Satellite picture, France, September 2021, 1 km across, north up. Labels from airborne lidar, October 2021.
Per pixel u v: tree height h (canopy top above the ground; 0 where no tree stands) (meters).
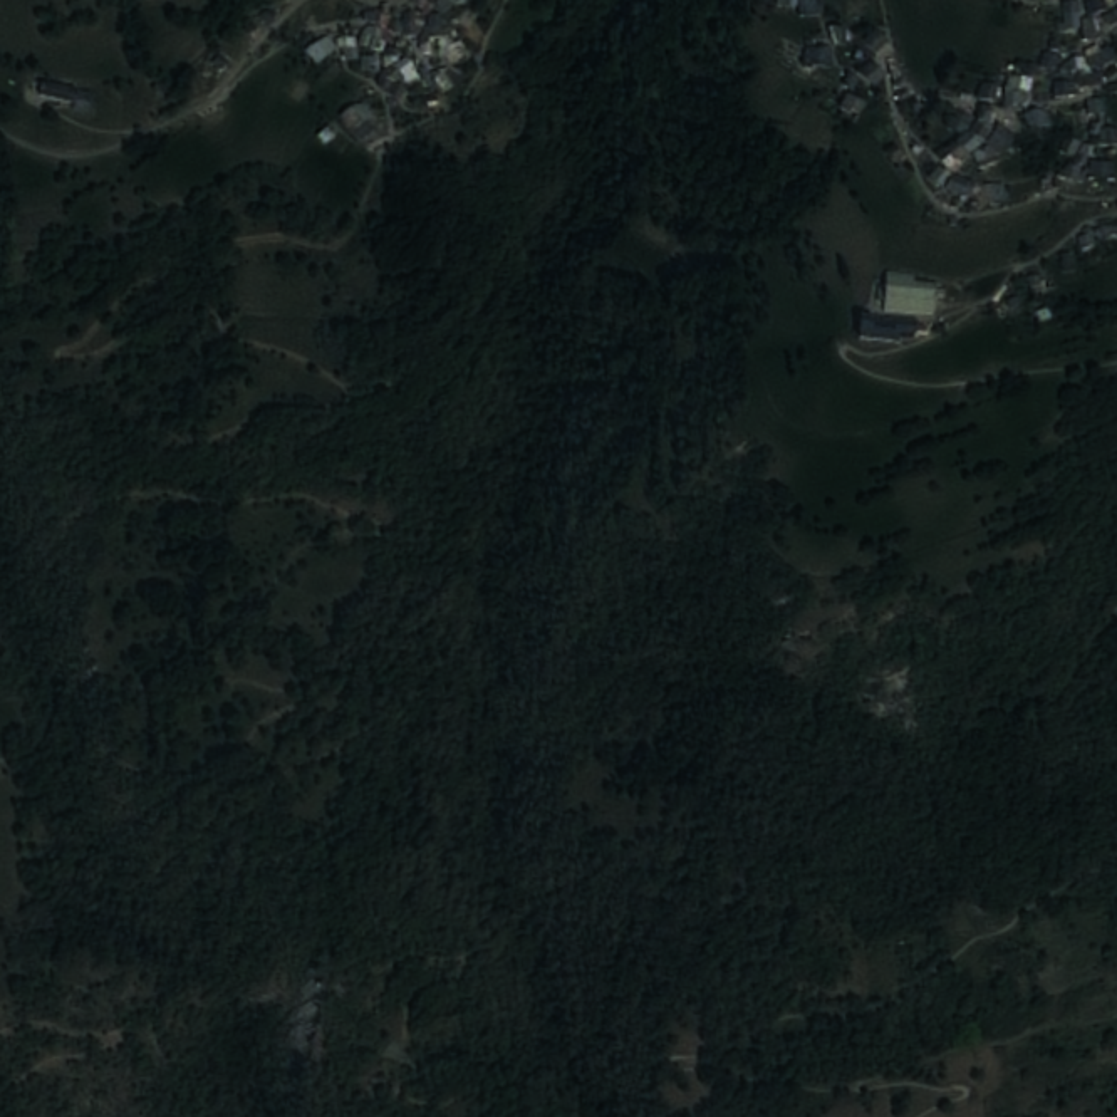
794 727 19
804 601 7
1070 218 0
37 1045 7
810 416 0
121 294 20
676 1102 0
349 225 15
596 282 8
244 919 17
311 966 7
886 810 18
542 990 18
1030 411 0
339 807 13
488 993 16
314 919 12
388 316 7
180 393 10
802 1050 17
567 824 15
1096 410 18
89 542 17
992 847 17
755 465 12
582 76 31
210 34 13
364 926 14
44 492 17
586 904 17
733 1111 14
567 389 14
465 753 21
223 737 11
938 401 0
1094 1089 8
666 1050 8
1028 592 13
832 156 11
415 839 17
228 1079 20
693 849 12
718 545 19
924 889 22
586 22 25
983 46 0
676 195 15
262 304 0
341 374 7
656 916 21
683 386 15
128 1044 10
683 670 20
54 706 15
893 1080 16
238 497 12
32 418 12
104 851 23
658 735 6
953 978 12
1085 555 14
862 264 0
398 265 20
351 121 0
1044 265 7
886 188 0
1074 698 20
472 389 21
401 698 25
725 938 15
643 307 22
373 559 11
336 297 7
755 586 11
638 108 12
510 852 25
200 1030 12
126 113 0
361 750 15
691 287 19
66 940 12
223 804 21
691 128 9
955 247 0
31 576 20
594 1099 21
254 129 0
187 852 12
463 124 9
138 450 17
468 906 9
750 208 12
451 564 23
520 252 19
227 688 16
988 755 19
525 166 14
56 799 21
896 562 16
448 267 19
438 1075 11
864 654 9
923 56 0
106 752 12
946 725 17
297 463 21
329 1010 6
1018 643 16
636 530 18
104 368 7
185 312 14
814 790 19
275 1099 15
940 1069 8
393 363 10
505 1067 17
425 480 21
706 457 9
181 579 9
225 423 0
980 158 0
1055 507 19
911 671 7
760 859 14
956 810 16
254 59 0
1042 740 11
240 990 11
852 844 16
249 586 16
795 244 15
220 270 18
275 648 20
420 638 21
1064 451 10
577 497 13
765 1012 19
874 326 0
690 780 18
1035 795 20
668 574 19
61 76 0
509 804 19
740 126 17
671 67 17
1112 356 8
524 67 18
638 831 0
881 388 0
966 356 0
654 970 17
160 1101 14
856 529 0
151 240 18
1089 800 28
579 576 16
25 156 0
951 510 0
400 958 17
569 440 25
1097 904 16
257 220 15
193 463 15
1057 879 15
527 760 16
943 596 10
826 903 16
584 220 29
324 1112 9
